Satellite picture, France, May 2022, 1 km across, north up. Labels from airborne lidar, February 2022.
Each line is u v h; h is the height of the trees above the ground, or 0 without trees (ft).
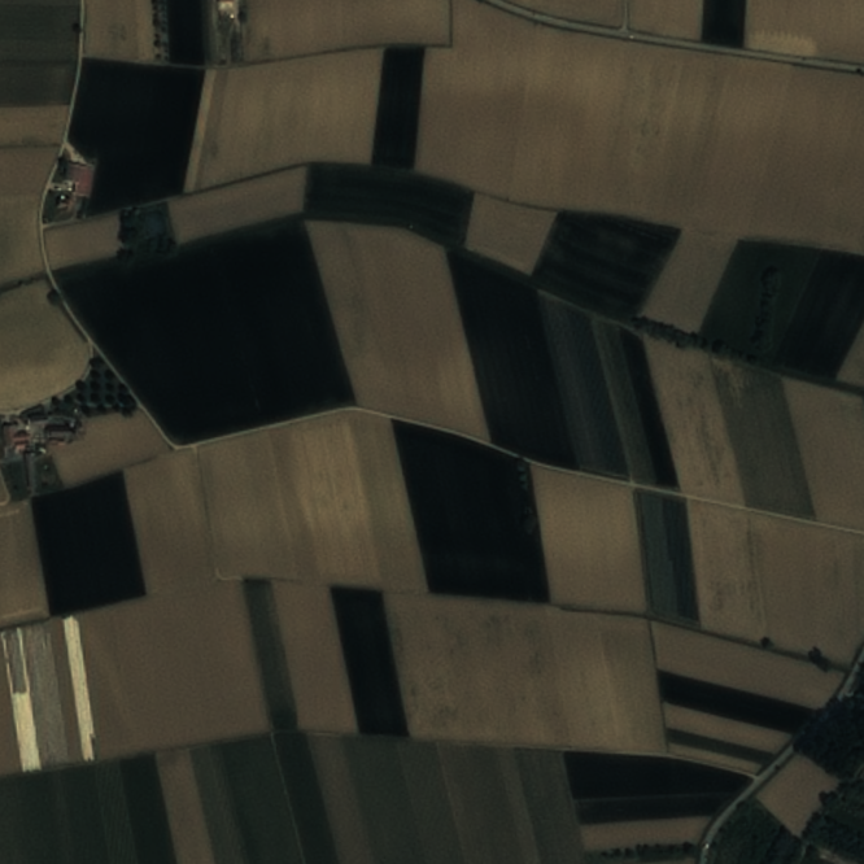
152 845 0
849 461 0
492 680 0
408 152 0
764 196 0
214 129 0
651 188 0
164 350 0
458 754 0
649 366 0
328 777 0
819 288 0
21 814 0
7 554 0
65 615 0
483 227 0
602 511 0
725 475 0
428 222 0
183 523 0
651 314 0
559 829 0
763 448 0
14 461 0
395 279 0
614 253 0
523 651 0
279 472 0
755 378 0
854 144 0
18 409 0
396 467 0
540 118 0
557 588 0
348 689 0
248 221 0
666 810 0
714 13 0
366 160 0
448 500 0
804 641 0
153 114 0
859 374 0
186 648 0
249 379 0
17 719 0
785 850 48
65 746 0
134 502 0
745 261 0
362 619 0
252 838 0
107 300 0
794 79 0
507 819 0
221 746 0
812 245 0
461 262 0
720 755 0
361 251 0
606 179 0
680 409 0
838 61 0
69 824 0
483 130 0
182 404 0
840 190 0
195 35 0
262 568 0
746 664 0
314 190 0
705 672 0
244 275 0
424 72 0
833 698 0
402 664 0
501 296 0
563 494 0
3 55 0
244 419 0
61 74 0
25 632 0
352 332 0
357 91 0
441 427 0
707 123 0
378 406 0
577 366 0
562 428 0
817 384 0
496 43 0
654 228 0
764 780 0
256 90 0
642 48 0
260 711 0
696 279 0
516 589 0
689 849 41
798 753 37
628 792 0
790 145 0
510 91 0
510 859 0
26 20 0
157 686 0
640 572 0
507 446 0
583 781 0
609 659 0
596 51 0
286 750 0
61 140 0
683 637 0
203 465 0
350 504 0
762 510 0
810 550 0
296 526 0
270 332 0
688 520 0
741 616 0
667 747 0
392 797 0
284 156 0
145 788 0
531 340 0
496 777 0
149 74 0
